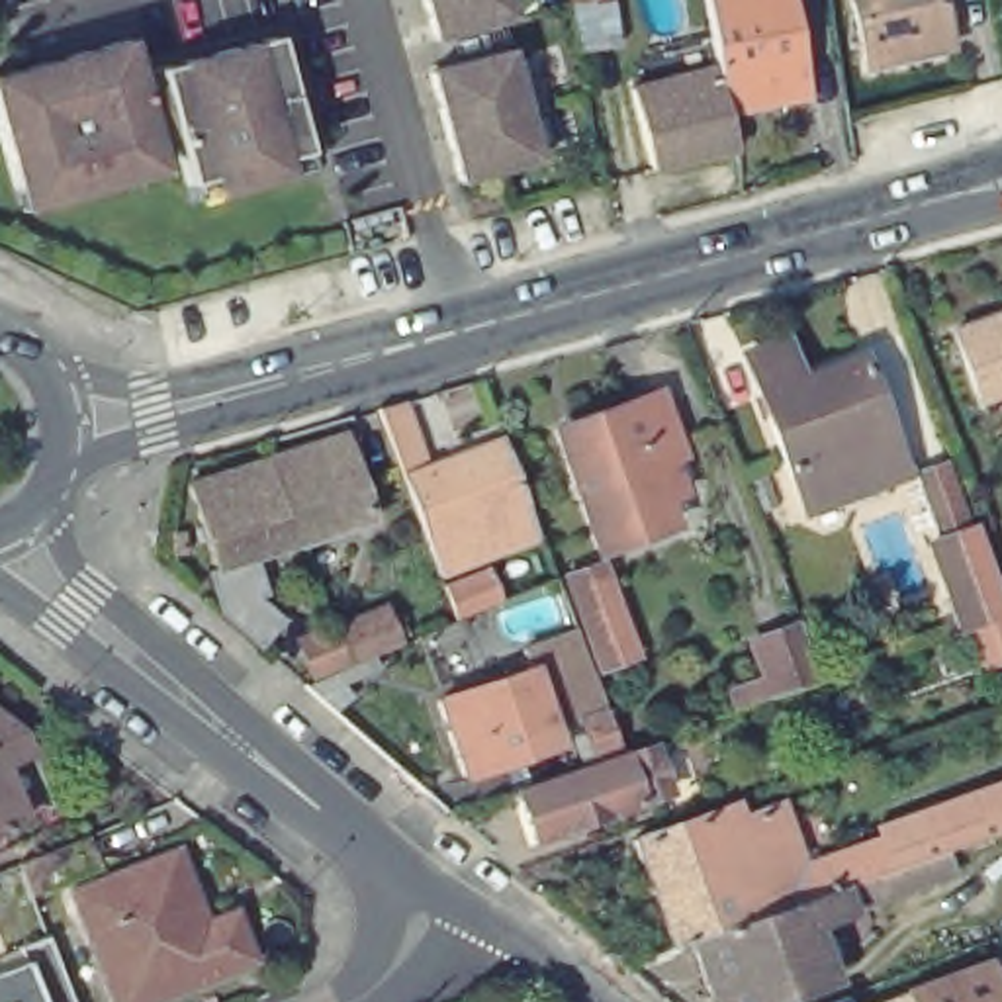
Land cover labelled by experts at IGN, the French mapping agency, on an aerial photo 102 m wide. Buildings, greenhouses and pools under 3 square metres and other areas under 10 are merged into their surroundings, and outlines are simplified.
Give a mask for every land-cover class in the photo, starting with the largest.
<instances>
[{"label":"impervious surface","instance_id":"1","mask_svg":"<svg viewBox=\"0 0 1002 1002\"><path fill-rule=\"evenodd\" d=\"M266 39H294L321 133L325 172L317 176L329 188V207L341 235L348 239L352 258L411 241L407 251H415L423 262V286L411 290V305L364 321L325 325L321 333L290 337L286 344L243 348L207 364L172 368L160 337V313H129L98 294H86L82 286H67L63 278L35 270L20 258H8L0 251V669L20 665L39 685L31 701L8 697L0 689V720L16 716L20 724L39 728L35 708L55 697V705L70 720H78L82 732L94 724H114L121 736L125 767L157 791V806L145 822L117 830L106 845L94 849V881L180 849L200 881L207 908L215 916L235 912L231 904L243 888L215 885L204 849L184 826L188 818L207 822L219 810L251 842L270 845L278 861L313 888L317 951L313 967L305 971L297 990H266L258 1002H462L493 982L556 986L564 1002H665L642 975L618 963L611 951H603V943L587 928L564 916L540 888L544 881H556V865L564 857L611 861L622 869V857L630 849L642 834H650L646 824L564 853H532L521 838L513 798H524L540 783H552L560 775L583 771V755H552L544 763H532L524 775L474 783L458 771L450 752L438 759V779L423 787L368 732H360L344 716V708L329 701L317 685H309L313 669L301 654L305 634V618L286 622L270 650H262L254 638L239 630V622L219 603L207 607L188 583H180L157 564L160 505L168 466L176 458L211 454L239 442H251L262 458L274 454V431H309L352 407H364L372 419L387 407L407 403L431 462H446L474 446L501 442L497 431L481 423L474 407L478 384V376L489 372H524L544 360L591 348H599L607 360H622L630 376H650L658 391H669L685 434H693L701 427L681 380L689 368L673 348L677 325H689L705 337L716 384L724 399L736 407L752 411L771 450L779 454V478L783 505L775 517L783 524L810 532L842 528L857 540L865 560L869 524L896 517L904 524L912 568L920 579H928L932 591L939 618H947L955 603L947 591V575L939 571L932 552L939 528L924 485L904 481L892 493L842 505L822 517L806 513L783 427L775 423L763 399L752 356L740 341L728 325L736 313H759L775 305L771 286L779 294H806L810 301L814 294L842 290L849 325L861 333L853 344H845L849 356L869 360L885 376L908 458L920 450H943L924 380H908L904 368L912 360V344L888 297L892 282V262H916L939 251L975 247L1002 235V141L959 153L939 164L881 172L869 184L806 196L736 223L693 227L685 235L673 227L669 215L650 207L642 219L622 215V227L611 231V254L575 258L556 270L513 274L505 282H497L489 266H466L450 227L470 219L462 204L466 184L442 172L434 160L438 121L427 102V74L517 51V35L509 27L470 51H446L427 35L419 0H0V82L117 43H145L153 94H164L168 67L211 59L235 47H254ZM716 67L705 0H685V12L677 16V35L654 39L646 43L638 82L642 86L673 74H705ZM818 94L806 106L779 114V129L795 133L802 153H830V168H849L853 160L849 149L838 145L845 106L834 102V63L826 55V0H802ZM959 43L955 55L979 70V86L1002 82V0H951ZM548 141H564L568 121V114L560 110V82L552 74L548 47L524 55ZM372 481L391 470L387 442L372 423H352V434ZM701 478H693L685 497V528L677 536L646 540L650 552L708 536L712 548H744V579L752 587V599L759 622L775 618L791 603L783 568L775 560L767 528H748L744 521L736 478L724 450H697ZM505 571H509V575H524V571H540V552H536V548H524V552H505V556H497V560H493V579H497V575H505ZM521 646L501 634L497 618L485 611L454 615L446 630L423 638V665L434 669L446 697L524 673V654H517ZM798 838L810 857H830L845 849L830 826L814 818L806 806L795 814ZM51 842L47 818L20 842H8L0 849V877L8 869L27 865L39 857V845Z\"/></svg>","mask_w":1002,"mask_h":1002},{"label":"building","instance_id":"2","mask_svg":"<svg viewBox=\"0 0 1002 1002\"><path fill-rule=\"evenodd\" d=\"M427 35L446 51H470L509 27L528 23L524 0H419ZM575 27L587 51H599L622 47L618 0H571ZM716 67L705 74H673L642 86L638 82H622L630 90V110L638 121L646 164L661 157L677 160L697 153H712L720 164L740 160V121L752 114H779L806 106L818 94L802 0H705ZM959 43L951 0H826V55L834 63V102L845 106L838 145L849 149L853 160H861V125L869 117L849 114L845 102L857 70L861 78H885L908 74L916 67H939L955 55ZM164 94H153L145 43H117L0 82V188L16 200L20 211L51 219L98 196L157 184L176 168H184L188 196L207 207H223L235 196L294 184L301 176H317L325 172L321 133L294 39H266L254 47H235L211 59L168 67ZM427 102L438 121L434 160L442 172L466 184L481 180V196L489 200L505 192V184L517 192L521 184L556 176L560 157L552 149L548 141L524 55L517 51L427 74ZM951 364L963 368L975 403L1002 407V313L971 325H951ZM752 356L763 399L775 423L783 427L806 513L822 517L842 505L892 493L904 481L924 485L939 528L932 552L939 571L947 575V591L955 603L947 618L959 638L975 634L982 642V658L990 669H1002V524L990 532L975 528V509L963 497V489L943 450H920L908 458L885 376L869 360L849 356L814 368L795 337L740 341ZM387 442L391 470L411 509L423 536L442 575L446 607L454 615L485 611L497 618L513 603L497 579H493V560H497V556H505V552H524V548H536L540 524L532 509L524 470L509 442H501L474 446L446 462H431L407 403L387 407L372 419V423ZM571 491L587 536L591 552H599L595 568L568 571V579L552 595L568 603V622L536 630L521 646L517 654H524V673L446 697L438 701L434 716L450 752L458 771L474 783L524 775L532 763H544L552 755H583V771L560 775L552 783H540L524 798H513L521 838L532 853H564L646 824L654 810L689 802L697 795L708 759L701 752H681L673 740L661 736L658 748H626L611 705L603 693V677L634 665L642 661V642L630 622L618 579L634 575V556L650 552L646 540V521L630 489L611 423L603 415H571L548 427ZM387 528V521L376 505L372 481L352 434L274 454L262 458L188 485V501L180 505L176 552L207 560L219 603L239 622V630L254 638L262 650H270L286 622V615L270 603L266 568L278 560H294L309 548H317V556L325 560L333 552H344V544L352 540H372ZM693 478H701L697 450L693 434H685ZM763 513L775 517L783 505L779 478L755 485ZM403 646V630L391 607L360 615L348 626V638L337 646L325 634H305L301 654L313 669L309 685H317L329 701L344 708L364 705V693H372V677L384 665V654ZM752 654L736 661L732 685V705H740V712H752L767 701H791L826 689L810 673L802 626L798 622L775 634L759 630L748 638ZM51 798L43 787L39 728L20 724L16 716L0 720V849L8 842H20L47 818ZM1002 838V783L916 810L877 830V838L845 849L830 857H810L798 838L795 814L791 802H779L767 810L732 802L716 814L650 834H642L630 849L650 869L654 896L669 928V947L654 955V971L681 955L693 963H708V979L720 1002H853L849 986L842 990L830 979V959L842 951L845 963L861 959V939L853 924L873 904L900 912L904 900L916 892L939 888L943 896H951V888H959L963 881L955 853ZM82 920L90 928L82 967H98L110 979L117 1002H258L266 990L254 986V975L266 963L251 939L247 916L235 912L215 916L207 908L200 881L180 849L94 881L74 888ZM31 892L55 885L63 869L55 853L39 857L27 865ZM0 1002H82L55 939L20 943L0 959ZM892 1002H1002V963H979L943 975Z\"/></svg>","mask_w":1002,"mask_h":1002},{"label":"herbaceous vegetation","instance_id":"3","mask_svg":"<svg viewBox=\"0 0 1002 1002\"><path fill-rule=\"evenodd\" d=\"M528 23L509 27L517 35V51L524 55L548 47L560 31L575 27L571 0H524ZM622 47L599 51V70L607 86L622 82H638L646 43L654 39L646 0H618ZM979 86V70L955 55L939 67H916L908 74L885 78H861L857 70L845 102L849 114L869 117L908 102L967 94ZM552 149H568L575 157L611 149L603 102L587 106V121L579 129L568 121L564 141H548ZM740 160L720 164L712 153H697L677 160L661 157L646 164V176L638 180L650 188L654 204L693 196L705 188L720 192L732 180H740L748 196L771 188L759 176V160L752 149V114L740 121ZM23 227L47 243L94 254L106 266L137 278H184L207 266L254 262V243L270 235L278 239V247H290L294 239L341 235L329 207V188L317 176H301L294 184L235 196L223 207H207L188 196L184 168H176L157 184L98 196L51 219L20 211L16 200L0 188V231ZM462 204L470 219L497 227L505 219L521 223V215L505 200V192L489 200L481 196V180L466 184ZM932 282V305L914 315L963 429L965 438L959 446L971 458L975 481L998 489L1002 505V407L975 403L963 368L951 364V325H971L1002 313V235L975 247L939 251L916 262ZM775 305L791 313L795 337L814 368L849 356L845 344H853L861 333L849 325L842 290L814 294L810 301L806 294H779L771 286ZM607 360L599 348H591L544 360L524 372H489L478 376V384L493 391L497 407L521 415V427H548L571 415L568 387L583 380L591 384ZM352 423H372V419L364 407H352L309 431H274V454L352 434ZM724 427L732 431L740 458L763 462L771 450L752 411L736 407V415ZM176 458L188 470V485L262 458L251 442H239L211 454ZM376 505L387 521L407 517L411 509L391 470L372 481ZM564 528V544L587 536L571 491L544 507ZM798 587L806 595H822L849 591L853 575L865 568V560L857 540L842 528L810 532L783 524ZM391 607L403 630H419L415 607H446L442 575L423 536L395 556H380L372 548L368 579L360 587L352 583L348 591L329 599V611L348 626L360 615ZM634 575L618 579L630 622L642 642V661L634 665L646 677V697H661V689L673 685L661 661L677 658L681 650H693L701 658V673H720L724 685H732L736 661L752 654L748 638L759 630V622L752 599H732L728 611H708L712 575L744 579V548H712L708 536L650 552L634 556ZM438 701L446 697L434 669L423 665H384L372 677V693H364V705L344 708V716L360 732H368L423 787L438 779V759L450 752L434 716ZM928 701H943L951 708L967 701V681L932 677L908 693V720H920L928 712ZM626 748H658L661 736L642 732L626 708L611 705ZM82 748L106 763V783L125 767L121 736L114 724H94L82 732ZM1002 783V748L998 755L935 759L912 787V798H904L877 771L861 787L845 783L842 798H810L806 806L814 818L830 826L838 818L869 814L877 830L916 810ZM732 802L767 810L779 802L771 795H752L748 787H732L720 798L697 795L689 802L654 810L646 824L650 834L716 814ZM184 826L204 849L215 885L243 888L231 904L235 912L247 916L251 939L266 963L286 959L305 971L313 967L317 951L294 939L290 920L278 916L294 892L278 885V877H270V869L254 853H247L239 842H231L207 822L188 818ZM963 881L986 877V865L1002 861V838L955 853ZM94 849L90 842L70 845V861L63 869L55 885L31 892L27 865L8 869L0 877V959L20 943L55 939L82 1002H117L110 979L98 967H82L90 928L82 920L74 888L94 881ZM979 963H1002V881L990 912L975 916L967 904L928 920L924 939L908 947V955H900L881 975L853 979L849 986L853 1002H892L943 975Z\"/></svg>","mask_w":1002,"mask_h":1002},{"label":"deciduous trees","instance_id":"4","mask_svg":"<svg viewBox=\"0 0 1002 1002\"><path fill-rule=\"evenodd\" d=\"M752 149L759 160H787L802 153L795 133L779 129V114H752ZM892 282L916 290L920 297H932V282L916 262H892ZM728 325L740 341L795 337L791 313L775 305L759 313H736ZM571 415H603L611 423L630 489L646 521V540L677 536L685 528V497L693 478L685 434L669 391H658L650 376H630L622 360H607L591 384L583 380L568 387ZM524 470L532 509L544 507L571 491L548 427H521L509 442ZM963 497L975 509V528L990 532L1002 524V505L998 489L975 481L963 489ZM423 536L411 509L407 517L387 521V528L372 540V548L380 556H395ZM270 603L286 615V622L305 618V634H325L337 646L348 638V626L329 611V599L348 591L352 583L348 568H329L325 560L317 556V548H309L294 560H278L266 568ZM822 622L802 626L810 673L826 689L791 701H767L752 712H740V705H732V685H724L720 673H701V658L693 650H681L677 658L661 661L673 685L661 689V697H646V677L634 665L603 677V693L611 705L626 708L642 732L661 736L673 740L681 752H701L708 759L697 795L720 798L732 787H748L752 795H771L779 802H791L795 814L806 806L810 798H842L845 783L861 787L877 771L904 798H912V787L935 759L998 755L1002 748V669H990L982 658V642L975 634L959 638L947 618H939L932 591L900 611L904 622H888V583L873 568H865L853 575L849 591L822 595ZM932 677L967 681V701L951 708L943 701H928V712L920 720H908V693ZM732 599H752V587L744 579L712 575L708 611H728ZM419 630H403V646L384 654V665H423V638L446 630L454 615L446 607H415ZM39 728L43 787L51 798L47 818L51 842L39 845V857L55 853L63 869L70 861V845L90 842L94 849L106 845L117 830L145 822L157 806V791L125 767L106 783V763L82 748V732L78 720H70L55 705V697L35 708ZM845 849L877 838V830L869 814L838 818L830 826ZM540 888L564 916L587 928L603 943V951H611L618 963L642 975L654 971V955L669 947V928L654 896L650 869L630 849L622 857V869L611 861L564 857L556 865V881H544ZM305 971L286 959L266 963L254 975V986L266 990H297ZM462 1002H564L556 986L493 982Z\"/></svg>","mask_w":1002,"mask_h":1002},{"label":"pervious surface","instance_id":"5","mask_svg":"<svg viewBox=\"0 0 1002 1002\"><path fill-rule=\"evenodd\" d=\"M611 149L622 184L607 188L603 196L583 192L571 200H544L521 215V223L505 219L497 227L470 219L450 227L466 266H489L497 282H505L513 274L556 270L575 258L611 254V231L622 227V215L642 219L650 207L669 215L673 227L685 235L693 227L736 223L806 196L869 184L881 172L939 164L959 153L1002 141V82L979 86L967 94L908 102L869 117L861 125V160H853L849 168H830L771 188L748 196L740 180H732L720 192L705 188L693 196L654 204L650 188L638 180L646 176V164L638 121L630 110V90L622 82L607 86L603 102ZM411 241L352 258L223 290L207 297L204 309L196 301H176L160 313V337L172 368L207 364L243 348L286 344L290 337L321 333L325 325L364 321L411 305V290L423 286V262L415 251H407ZM329 568H348L352 583L360 587L368 579L372 548V540H352L344 544V552H333L325 560ZM1002 881V861L986 865V877L963 881L959 888H951V896H943L939 888L916 892L904 900L900 912L873 904L853 924L861 939V959L845 963L842 951L830 959V979L842 990L849 986L853 979L881 975L900 955H908V947L924 939L928 920L967 904L975 916L990 912ZM665 1002H720L708 979V963H693L681 955L654 971L642 975Z\"/></svg>","mask_w":1002,"mask_h":1002},{"label":"brushwood","instance_id":"6","mask_svg":"<svg viewBox=\"0 0 1002 1002\"><path fill-rule=\"evenodd\" d=\"M552 74L560 82V110L568 114V121L579 129L587 121V106L603 102L607 86L599 70V51H587L575 27L560 31L548 47ZM560 157L556 176L521 184L517 192L505 184V200L521 215L544 200H571L583 192L603 196L607 188L622 184L611 149L575 157L568 149H552ZM830 168V153H802L787 160H759V176L771 188ZM0 251L8 258H20L35 270L63 278L67 286H82L86 294H98L129 313H160L176 301H196L204 309L207 297L223 290L352 258L348 239L341 235L294 239L290 247H278V239L270 235L254 243V262L207 266L184 278H137L106 266L94 254L47 243L23 227L0 231ZM888 297L912 344V360L904 368L908 380H924L943 450L963 489L975 481L971 458L959 446L965 438L963 429L914 315L932 305V297H920L916 290L892 282ZM673 348L689 368L681 380L701 427L693 434L697 450H724L736 478L744 521L748 528H767L775 560L783 568L791 603L775 618L759 622V630L775 634L798 622L802 626L822 622V595H806L798 587L783 524L775 517L763 513L755 485L779 478V454L771 450L763 462L740 458L732 431L724 427L736 415V407L724 399L716 384L705 337L689 325H677ZM474 407L481 423L497 431L501 442H509L521 427V415L497 407L493 391L478 384ZM188 501V470L176 458L168 466L160 505L157 564L180 583H188L207 607L219 603L207 560L176 552L180 505ZM540 524L536 548V552H540V571H524V575H509V571H505V575H497V579L513 603L552 595L568 579V571L595 568L599 552H591L587 536L564 544V528L544 507L532 509ZM0 689L8 697L31 701L39 685L20 665L0 669ZM231 842H239L247 853H254L270 869V877H278V885L294 892L278 916L290 920L294 939L317 951L313 888L278 861L270 845L251 842L219 810L207 822Z\"/></svg>","mask_w":1002,"mask_h":1002},{"label":"swimming pool","instance_id":"7","mask_svg":"<svg viewBox=\"0 0 1002 1002\"><path fill-rule=\"evenodd\" d=\"M654 39L677 35V16L685 12V0H646ZM865 568H873L888 583V622H904L900 611L932 591L928 579H920L912 568L904 524L896 517L869 524L865 560ZM568 622V603L552 595L513 603L497 618L501 634L521 646L536 630Z\"/></svg>","mask_w":1002,"mask_h":1002}]
</instances>
